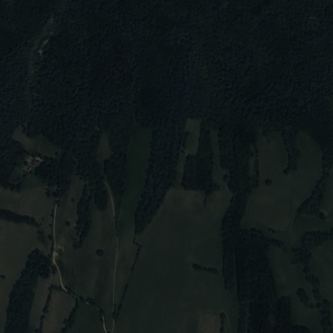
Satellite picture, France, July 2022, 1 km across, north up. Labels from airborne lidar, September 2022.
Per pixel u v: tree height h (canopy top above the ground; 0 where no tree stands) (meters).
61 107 28
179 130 20
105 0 26
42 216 0
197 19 22
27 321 10
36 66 11
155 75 21
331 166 11
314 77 25
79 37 30
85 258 0
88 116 6
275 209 0
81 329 0
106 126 25
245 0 23
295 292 0
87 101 29
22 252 0
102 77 32
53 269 11
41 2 15
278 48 17
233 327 0
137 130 0
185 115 13
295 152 24
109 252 0
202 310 0
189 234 0
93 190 16
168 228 0
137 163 0
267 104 24
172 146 29
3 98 8
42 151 0
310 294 0
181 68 17
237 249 17
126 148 18
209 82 17
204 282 0
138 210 17
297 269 0
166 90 21
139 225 14
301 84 22
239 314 9
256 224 0
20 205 0
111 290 0
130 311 0
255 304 10
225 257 14
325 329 20
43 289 0
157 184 32
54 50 25
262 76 25
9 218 24
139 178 0
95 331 0
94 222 0
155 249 0
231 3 25
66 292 7
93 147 24
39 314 0
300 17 20
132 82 29
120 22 32
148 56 22
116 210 6
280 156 0
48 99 27
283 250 0
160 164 20
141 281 0
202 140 10
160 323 0
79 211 15
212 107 16
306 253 13
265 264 25
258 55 26
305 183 0
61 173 21
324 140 25
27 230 0
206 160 11
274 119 33
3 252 0
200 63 9
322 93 16
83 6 19
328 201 0
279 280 0
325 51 27
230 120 26
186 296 0
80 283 0
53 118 29
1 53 7
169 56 22
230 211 13
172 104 23
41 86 30
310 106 25
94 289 0
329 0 13
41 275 13
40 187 0
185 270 0
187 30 14
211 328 0
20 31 23
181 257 0
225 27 26
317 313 0
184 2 29
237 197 11
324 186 13
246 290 24
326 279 0
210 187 10
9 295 0
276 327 6
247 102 32
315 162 0
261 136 0
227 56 14
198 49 13
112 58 13
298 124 22
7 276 0
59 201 15
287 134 23
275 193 0
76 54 22
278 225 0
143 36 25
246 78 27
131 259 0
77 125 16
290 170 13
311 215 7
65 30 21
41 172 17
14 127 13
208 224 0
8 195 0
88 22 26
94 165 18
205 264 0
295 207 0
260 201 0
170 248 0
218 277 0
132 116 25
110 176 17
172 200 0
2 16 9
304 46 25
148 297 0
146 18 24
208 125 18
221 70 20
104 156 0
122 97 30
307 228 0
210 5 28
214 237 0
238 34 26
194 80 14
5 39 9
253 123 23
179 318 0
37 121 26
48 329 0
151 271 0
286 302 14
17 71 13
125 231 0
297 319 0
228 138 22
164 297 0
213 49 30
